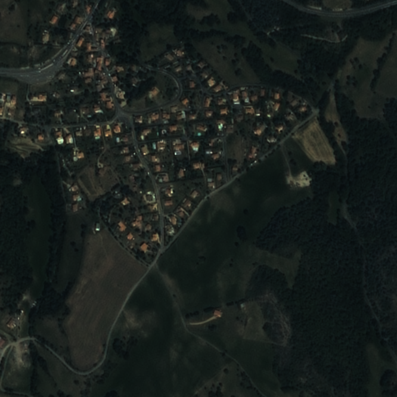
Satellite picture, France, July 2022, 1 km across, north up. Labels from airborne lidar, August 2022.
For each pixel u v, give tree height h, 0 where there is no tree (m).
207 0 0
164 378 0
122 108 0
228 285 0
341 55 8
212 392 10
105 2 8
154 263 0
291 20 14
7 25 0
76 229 0
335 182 17
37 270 0
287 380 8
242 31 0
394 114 11
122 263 0
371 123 11
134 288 0
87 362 0
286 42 8
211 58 0
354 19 11
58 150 12
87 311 0
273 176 0
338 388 17
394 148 8
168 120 6
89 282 0
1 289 7
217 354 0
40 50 0
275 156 0
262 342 0
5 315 0
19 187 10
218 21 12
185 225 0
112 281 0
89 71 0
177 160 7
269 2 13
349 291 22
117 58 11
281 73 14
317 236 17
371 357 0
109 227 8
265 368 0
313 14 8
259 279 8
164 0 8
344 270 19
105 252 0
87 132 0
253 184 0
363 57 0
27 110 12
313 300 11
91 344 0
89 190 0
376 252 11
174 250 0
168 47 15
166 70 6
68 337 0
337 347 11
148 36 10
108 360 8
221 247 0
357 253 30
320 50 15
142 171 10
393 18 16
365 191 14
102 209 15
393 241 13
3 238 12
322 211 21
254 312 0
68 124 8
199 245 0
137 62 11
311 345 13
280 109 0
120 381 0
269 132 8
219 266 0
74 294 0
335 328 11
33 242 0
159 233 12
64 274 0
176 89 8
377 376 0
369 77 0
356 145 14
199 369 0
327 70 16
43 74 0
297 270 5
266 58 0
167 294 0
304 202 10
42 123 7
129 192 13
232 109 9
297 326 9
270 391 0
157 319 0
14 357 0
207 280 0
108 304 0
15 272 10
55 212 22
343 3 0
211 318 0
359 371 12
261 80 10
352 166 9
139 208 7
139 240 0
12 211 18
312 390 7
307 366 6
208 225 0
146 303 0
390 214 15
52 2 10
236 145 0
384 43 0
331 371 15
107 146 0
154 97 0
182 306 0
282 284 11
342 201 14
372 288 10
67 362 8
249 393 0
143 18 20
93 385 0
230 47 0
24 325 0
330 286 16
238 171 12
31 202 0
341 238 13
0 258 13
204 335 0
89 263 0
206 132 11
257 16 18
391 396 9
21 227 22
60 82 8
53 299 17
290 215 10
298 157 0
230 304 9
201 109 0
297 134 0
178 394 0
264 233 6
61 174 9
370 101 0
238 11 18
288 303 11
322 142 0
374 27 10
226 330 0
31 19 0
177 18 16
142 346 0
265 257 0
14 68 0
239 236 18
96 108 0
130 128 8
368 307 18
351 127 20
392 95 0
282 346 0
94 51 8
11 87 0
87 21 0
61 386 0
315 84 15
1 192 13
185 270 0
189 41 9
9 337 0
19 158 10
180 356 0
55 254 24
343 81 0
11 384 0
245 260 0
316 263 9
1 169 11
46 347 9
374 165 13
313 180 9
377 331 11
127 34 13
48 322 0
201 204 0
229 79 0
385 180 8
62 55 0
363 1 6
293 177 0
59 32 9
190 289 0
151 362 0
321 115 11
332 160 0
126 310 0
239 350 0
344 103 22
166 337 0
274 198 0
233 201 0
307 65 27
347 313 20
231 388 0
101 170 0
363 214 7
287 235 6
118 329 0
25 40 0
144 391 0
